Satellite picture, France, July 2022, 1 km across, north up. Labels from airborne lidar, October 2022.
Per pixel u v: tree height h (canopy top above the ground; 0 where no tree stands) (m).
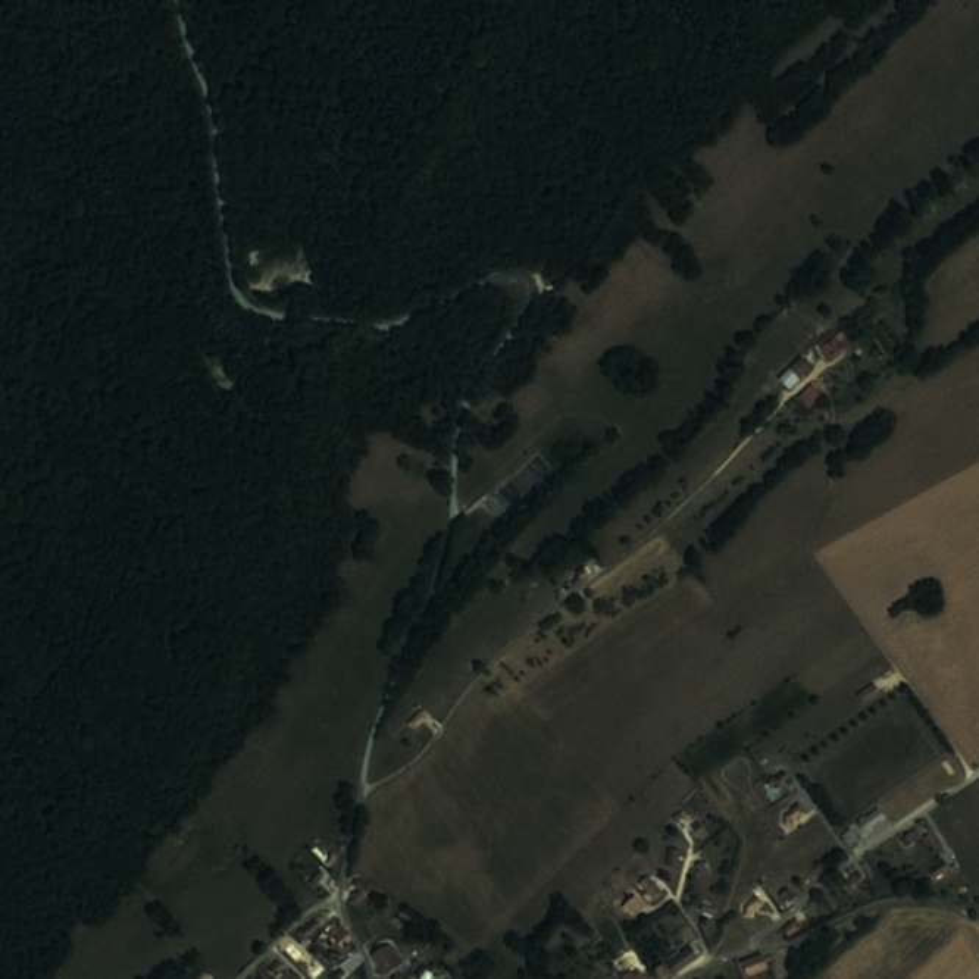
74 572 20
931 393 0
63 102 20
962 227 18
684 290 0
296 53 24
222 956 0
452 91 20
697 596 0
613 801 0
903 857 0
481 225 18
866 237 0
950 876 0
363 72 23
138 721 19
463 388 17
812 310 0
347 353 13
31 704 17
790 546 0
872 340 0
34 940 18
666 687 0
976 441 0
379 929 0
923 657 0
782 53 15
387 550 0
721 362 0
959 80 0
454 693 0
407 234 15
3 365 25
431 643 16
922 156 0
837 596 0
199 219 12
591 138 25
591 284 11
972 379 0
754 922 0
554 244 14
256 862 11
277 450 16
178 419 21
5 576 17
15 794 17
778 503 0
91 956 0
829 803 14
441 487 25
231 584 17
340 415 15
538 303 14
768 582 0
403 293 15
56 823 17
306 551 20
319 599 14
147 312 20
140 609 19
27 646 21
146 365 23
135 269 20
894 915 0
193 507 15
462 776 0
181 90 21
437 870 0
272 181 16
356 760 0
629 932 10
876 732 0
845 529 0
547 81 17
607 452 0
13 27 23
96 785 13
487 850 0
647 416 0
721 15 19
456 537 11
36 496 19
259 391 21
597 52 21
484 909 0
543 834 0
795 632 0
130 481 19
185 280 22
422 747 0
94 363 15
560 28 18
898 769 0
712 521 0
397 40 23
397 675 21
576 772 0
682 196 10
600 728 0
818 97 17
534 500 17
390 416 18
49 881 17
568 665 0
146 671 20
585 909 0
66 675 22
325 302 27
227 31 19
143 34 20
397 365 17
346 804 17
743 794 0
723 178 0
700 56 19
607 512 23
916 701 15
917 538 0
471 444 21
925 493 0
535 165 17
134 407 17
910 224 21
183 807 13
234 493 16
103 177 18
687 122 20
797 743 0
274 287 0
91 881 16
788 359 0
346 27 17
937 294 0
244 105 19
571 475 13
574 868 0
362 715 0
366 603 0
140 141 15
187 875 0
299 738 0
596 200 18
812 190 0
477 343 16
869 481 0
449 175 14
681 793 0
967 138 0
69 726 16
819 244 0
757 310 0
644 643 0
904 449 0
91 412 17
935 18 0
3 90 23
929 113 0
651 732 0
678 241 20
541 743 0
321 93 18
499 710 0
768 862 0
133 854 17
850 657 0
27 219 24
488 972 20
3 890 14
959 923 0
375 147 24
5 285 20
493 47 15
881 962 0
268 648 21
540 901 0
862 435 20
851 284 19
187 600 19
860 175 0
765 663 0
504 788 0
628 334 0
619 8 9
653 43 19
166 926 17
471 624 0
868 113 0
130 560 20
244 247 15
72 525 19
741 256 0
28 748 18
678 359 0
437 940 12
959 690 0
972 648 0
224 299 22
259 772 0
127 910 0
